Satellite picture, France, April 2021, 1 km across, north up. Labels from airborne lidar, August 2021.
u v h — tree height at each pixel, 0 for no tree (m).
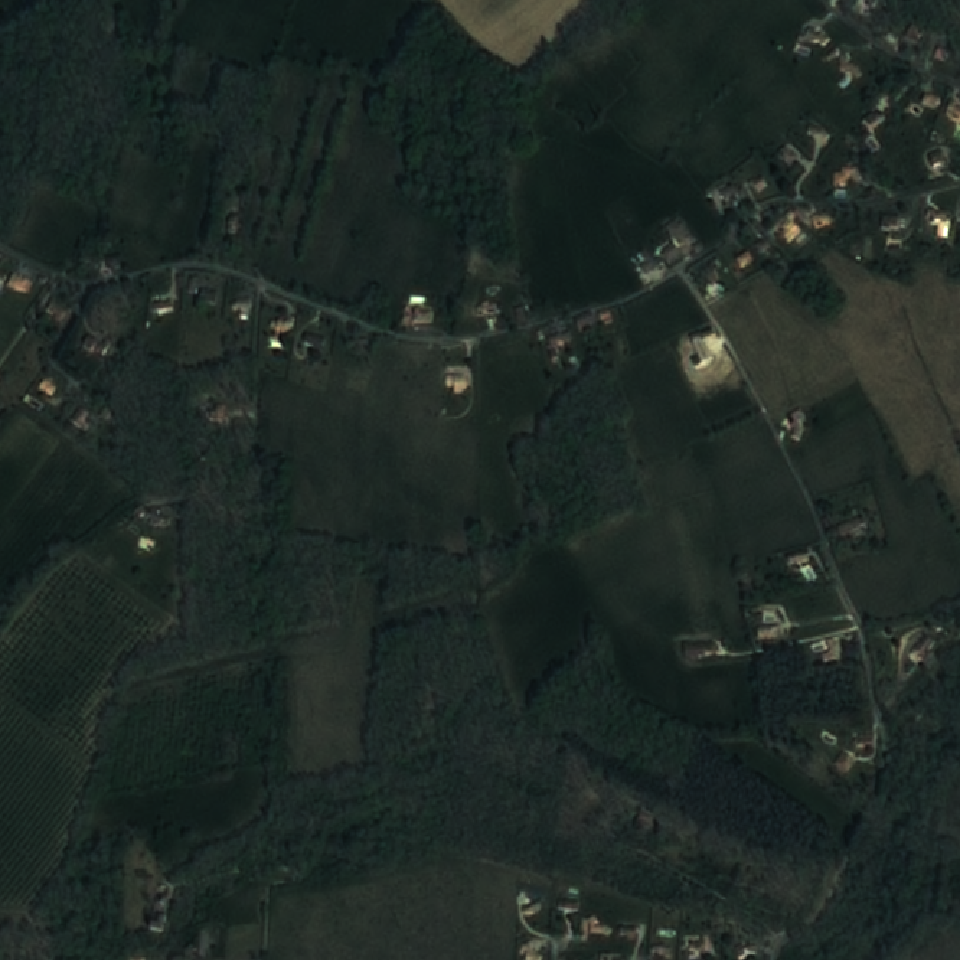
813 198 0
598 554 0
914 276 7
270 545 20
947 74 0
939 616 17
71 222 0
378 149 0
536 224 0
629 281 0
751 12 0
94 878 23
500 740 16
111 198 10
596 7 14
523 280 11
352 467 0
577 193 0
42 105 23
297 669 0
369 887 0
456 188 21
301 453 0
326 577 13
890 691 11
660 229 8
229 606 19
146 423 15
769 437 0
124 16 17
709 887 9
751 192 6
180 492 17
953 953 0
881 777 14
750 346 0
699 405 0
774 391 0
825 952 8
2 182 18
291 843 17
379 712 20
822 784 6
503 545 14
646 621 0
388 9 0
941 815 12
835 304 25
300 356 0
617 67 0
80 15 19
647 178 0
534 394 0
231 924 0
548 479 19
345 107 14
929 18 22
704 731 16
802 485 0
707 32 0
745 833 16
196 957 8
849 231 5
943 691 20
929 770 19
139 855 0
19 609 12
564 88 0
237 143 25
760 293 0
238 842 20
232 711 9
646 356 0
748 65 0
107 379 15
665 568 0
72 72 21
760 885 13
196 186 0
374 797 18
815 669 16
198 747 9
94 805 15
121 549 0
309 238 15
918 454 0
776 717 16
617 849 21
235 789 0
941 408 0
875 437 0
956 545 0
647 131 0
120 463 17
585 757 18
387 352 0
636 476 15
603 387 21
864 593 0
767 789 22
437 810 22
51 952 19
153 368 22
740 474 0
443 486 0
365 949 0
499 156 22
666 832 13
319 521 0
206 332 0
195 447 21
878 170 16
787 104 0
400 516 0
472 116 30
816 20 0
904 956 18
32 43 21
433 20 24
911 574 0
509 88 28
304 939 0
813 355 0
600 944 0
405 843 22
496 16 0
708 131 0
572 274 0
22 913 0
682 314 0
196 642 21
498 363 0
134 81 21
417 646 19
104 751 14
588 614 9
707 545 0
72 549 17
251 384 20
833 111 0
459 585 17
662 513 0
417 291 0
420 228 0
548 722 19
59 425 12
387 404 0
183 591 12
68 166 20
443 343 0
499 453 0
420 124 26
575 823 21
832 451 0
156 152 6
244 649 14
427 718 13
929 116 0
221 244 17
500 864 13
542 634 0
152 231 0
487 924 0
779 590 7
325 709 0
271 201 18
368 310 13
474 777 18
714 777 19
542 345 6
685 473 0
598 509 20
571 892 0
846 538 6
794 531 0
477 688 14
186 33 0
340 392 0
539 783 15
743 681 0
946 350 0
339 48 0
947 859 14
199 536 19
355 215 0
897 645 14
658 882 12
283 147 15
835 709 16
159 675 18
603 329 7
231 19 0
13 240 9
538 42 0
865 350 0
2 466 0
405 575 20
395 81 22
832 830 19
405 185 17
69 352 7
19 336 0
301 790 23
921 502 0
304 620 14
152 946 17
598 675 22
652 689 0
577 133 0
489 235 16
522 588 0
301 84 0
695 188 0
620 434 18
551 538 19
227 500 24
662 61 0
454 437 0
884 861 24
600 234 0
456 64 30
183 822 0
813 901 16
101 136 18
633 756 18
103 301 14
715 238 0
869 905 15
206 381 21
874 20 14
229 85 21
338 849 21
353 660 0
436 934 0
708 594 0
